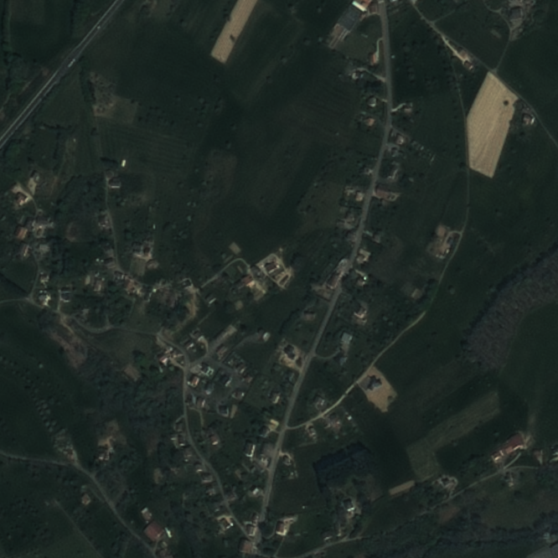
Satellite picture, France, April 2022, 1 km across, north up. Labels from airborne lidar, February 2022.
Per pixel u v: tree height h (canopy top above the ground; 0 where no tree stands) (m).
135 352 0
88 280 0
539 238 0
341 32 0
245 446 0
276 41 0
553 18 0
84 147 0
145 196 0
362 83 9
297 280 0
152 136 0
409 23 0
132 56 0
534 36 0
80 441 0
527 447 0
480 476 8
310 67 0
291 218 0
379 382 6
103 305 7
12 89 17
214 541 0
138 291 0
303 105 0
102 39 0
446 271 0
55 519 0
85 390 0
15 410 0
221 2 0
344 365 0
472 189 0
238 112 0
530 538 17
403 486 0
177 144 0
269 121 0
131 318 0
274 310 0
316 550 0
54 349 0
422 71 0
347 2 0
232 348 0
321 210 0
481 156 0
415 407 0
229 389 0
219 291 0
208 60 0
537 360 0
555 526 13
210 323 0
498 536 21
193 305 0
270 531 11
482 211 0
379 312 0
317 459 0
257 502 0
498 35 0
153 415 17
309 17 0
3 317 0
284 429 0
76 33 19
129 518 0
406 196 0
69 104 0
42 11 0
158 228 0
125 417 0
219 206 0
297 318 7
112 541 0
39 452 0
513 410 0
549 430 0
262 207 0
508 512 0
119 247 0
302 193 0
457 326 0
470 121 0
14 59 17
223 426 8
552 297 32
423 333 0
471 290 0
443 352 0
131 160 0
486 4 0
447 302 0
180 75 0
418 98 0
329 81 0
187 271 5
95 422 0
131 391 22
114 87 12
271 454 0
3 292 0
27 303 0
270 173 0
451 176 0
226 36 0
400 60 0
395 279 0
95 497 0
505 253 0
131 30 0
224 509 11
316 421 0
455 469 0
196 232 0
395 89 0
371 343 10
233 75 0
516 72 0
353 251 0
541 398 0
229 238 0
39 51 0
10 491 0
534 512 0
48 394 0
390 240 0
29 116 0
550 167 0
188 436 0
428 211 0
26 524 0
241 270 0
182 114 0
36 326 0
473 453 0
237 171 0
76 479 11
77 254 0
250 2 0
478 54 0
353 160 0
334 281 0
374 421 0
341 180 0
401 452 0
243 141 0
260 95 0
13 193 0
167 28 0
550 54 0
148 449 0
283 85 0
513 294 36
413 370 0
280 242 0
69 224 0
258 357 0
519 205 0
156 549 0
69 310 0
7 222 0
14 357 0
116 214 0
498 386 0
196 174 0
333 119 0
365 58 0
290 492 0
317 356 0
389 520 0
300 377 0
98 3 0
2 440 0
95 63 0
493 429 0
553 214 0
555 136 0
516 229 0
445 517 0
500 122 0
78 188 10
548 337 0
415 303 0
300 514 0
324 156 0
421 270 0
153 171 0
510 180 0
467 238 0
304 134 0
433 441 0
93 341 0
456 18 0
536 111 0
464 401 0
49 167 0
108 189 0
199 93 0
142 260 0
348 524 0
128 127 0
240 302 0
